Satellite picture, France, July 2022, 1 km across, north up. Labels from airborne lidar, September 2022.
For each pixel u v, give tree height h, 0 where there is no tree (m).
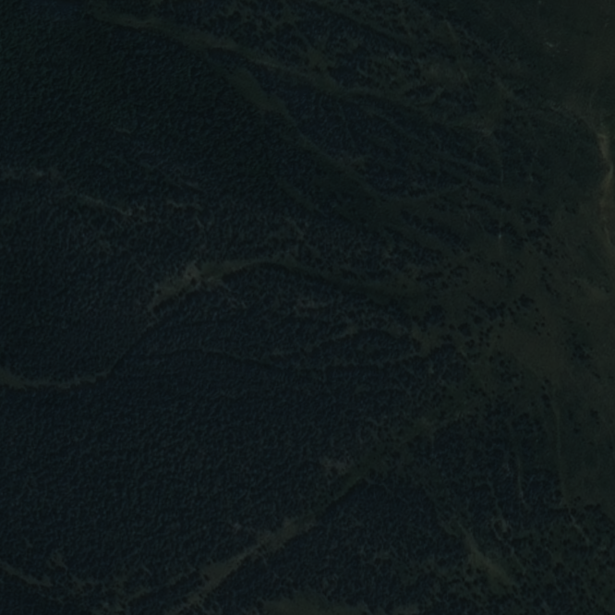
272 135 17
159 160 15
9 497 28
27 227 10
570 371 0
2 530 20
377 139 0
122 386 15
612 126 0
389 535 13
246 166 11
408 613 0
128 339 17
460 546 15
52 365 23
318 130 10
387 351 16
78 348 20
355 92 0
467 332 10
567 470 0
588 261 0
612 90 0
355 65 9
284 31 15
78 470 23
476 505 7
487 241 0
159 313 20
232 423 17
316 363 16
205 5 16
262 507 15
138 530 24
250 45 8
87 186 6
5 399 16
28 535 18
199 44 0
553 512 11
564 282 0
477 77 0
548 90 0
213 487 23
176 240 15
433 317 11
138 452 23
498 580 0
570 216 0
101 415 18
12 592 9
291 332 16
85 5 7
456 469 6
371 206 0
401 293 0
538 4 0
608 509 0
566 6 0
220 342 20
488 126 0
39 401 13
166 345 17
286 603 0
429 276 7
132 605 13
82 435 23
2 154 11
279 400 15
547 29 0
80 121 22
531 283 0
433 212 0
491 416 10
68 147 19
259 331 11
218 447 23
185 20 18
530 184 0
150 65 23
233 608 15
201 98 18
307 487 20
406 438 0
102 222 22
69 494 22
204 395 12
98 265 16
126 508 16
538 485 14
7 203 16
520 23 0
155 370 18
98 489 18
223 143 15
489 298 0
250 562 10
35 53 14
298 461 14
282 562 18
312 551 16
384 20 9
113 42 19
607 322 0
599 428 0
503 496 12
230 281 17
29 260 18
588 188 0
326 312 14
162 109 23
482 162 6
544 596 10
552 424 0
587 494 0
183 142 9
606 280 0
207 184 12
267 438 12
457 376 11
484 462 8
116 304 11
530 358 0
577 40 0
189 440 26
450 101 11
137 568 6
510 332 0
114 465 20
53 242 15
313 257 9
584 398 0
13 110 14
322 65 0
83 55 12
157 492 19
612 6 0
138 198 15
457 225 0
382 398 11
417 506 12
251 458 20
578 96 0
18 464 26
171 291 0
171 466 25
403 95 0
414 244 11
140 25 0
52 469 16
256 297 18
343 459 16
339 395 17
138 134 9
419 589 12
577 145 0
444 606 13
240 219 17
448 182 9
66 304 23
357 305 13
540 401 0
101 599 13
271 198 11
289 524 0
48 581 0
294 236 8
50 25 19
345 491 0
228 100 16
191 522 22
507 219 0
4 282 21
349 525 16
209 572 0
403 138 12
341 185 0
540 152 0
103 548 20
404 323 11
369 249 7
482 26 0
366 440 12
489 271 0
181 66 19
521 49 0
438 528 13
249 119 12
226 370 19
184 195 19
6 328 26
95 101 18
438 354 11
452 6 0
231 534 26
